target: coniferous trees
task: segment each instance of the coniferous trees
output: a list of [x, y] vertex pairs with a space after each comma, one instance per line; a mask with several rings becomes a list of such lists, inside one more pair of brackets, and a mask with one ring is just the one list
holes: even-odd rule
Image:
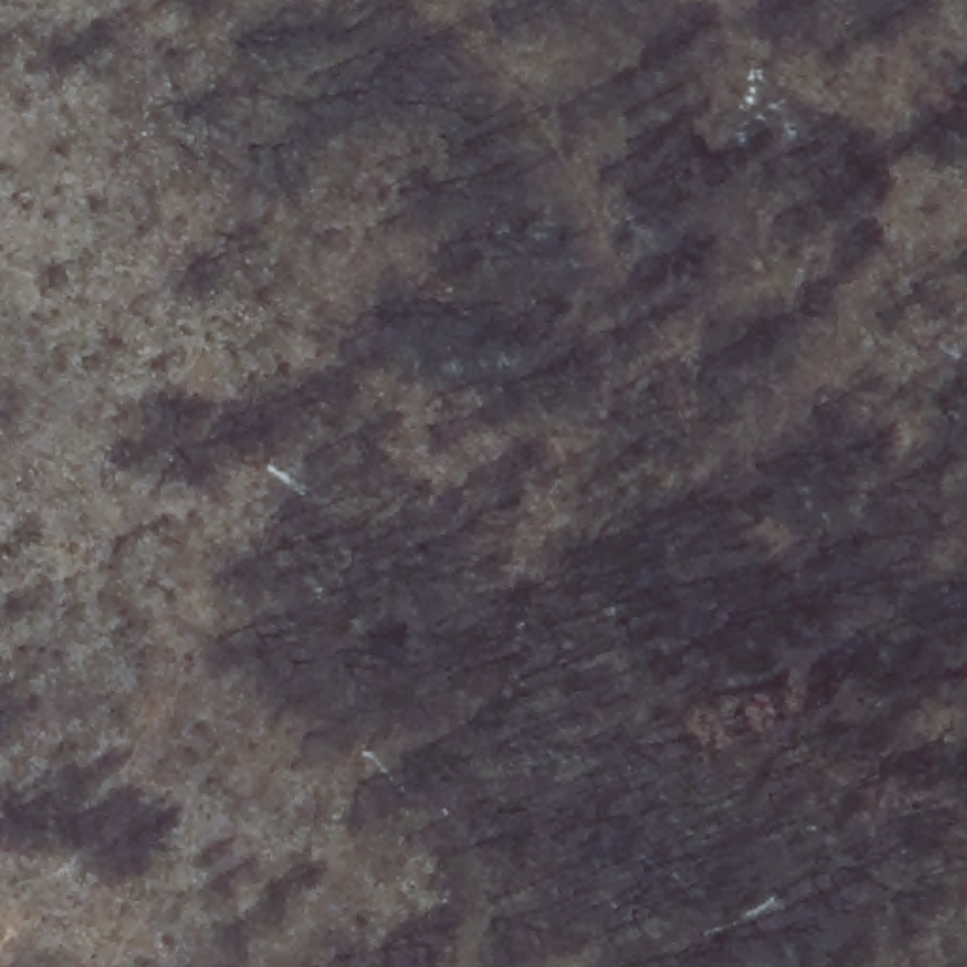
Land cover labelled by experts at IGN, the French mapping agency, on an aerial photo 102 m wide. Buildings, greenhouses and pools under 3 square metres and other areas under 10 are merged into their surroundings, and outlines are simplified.
[[[348, 835], [400, 835], [416, 854], [434, 857], [427, 891], [450, 891], [446, 907], [419, 910], [393, 925], [382, 948], [348, 944], [344, 952], [336, 952], [336, 967], [457, 967], [457, 929], [468, 918], [487, 925], [491, 948], [510, 963], [574, 956], [585, 944], [601, 944], [597, 967], [967, 967], [967, 0], [0, 0], [0, 30], [11, 23], [30, 23], [38, 34], [60, 34], [68, 42], [76, 30], [87, 30], [94, 19], [106, 19], [113, 34], [106, 49], [76, 64], [68, 76], [26, 72], [26, 60], [34, 57], [26, 42], [15, 42], [11, 60], [0, 68], [0, 514], [8, 510], [15, 521], [42, 521], [42, 540], [26, 544], [15, 555], [19, 574], [0, 578], [0, 597], [8, 601], [11, 593], [30, 589], [38, 578], [49, 578], [57, 601], [87, 604], [106, 585], [102, 563], [110, 559], [113, 536], [136, 521], [166, 517], [170, 499], [151, 495], [147, 476], [136, 476], [110, 461], [110, 450], [117, 442], [113, 416], [125, 400], [140, 400], [144, 427], [155, 431], [162, 446], [174, 453], [170, 468], [159, 476], [166, 484], [185, 480], [200, 487], [208, 476], [242, 465], [280, 465], [291, 476], [306, 480], [302, 495], [291, 491], [280, 514], [268, 521], [268, 529], [249, 536], [249, 555], [242, 555], [234, 567], [223, 567], [212, 578], [212, 589], [238, 585], [249, 608], [249, 623], [208, 635], [208, 669], [212, 676], [223, 676], [227, 669], [253, 676], [257, 699], [264, 699], [268, 710], [276, 706], [283, 714], [317, 718], [321, 725], [306, 729], [306, 740], [314, 744], [329, 744], [336, 752], [374, 748], [389, 771], [355, 782], [344, 820]], [[189, 302], [174, 295], [174, 283], [178, 276], [185, 276], [193, 253], [215, 253], [223, 268], [223, 280], [208, 291], [208, 302]]]

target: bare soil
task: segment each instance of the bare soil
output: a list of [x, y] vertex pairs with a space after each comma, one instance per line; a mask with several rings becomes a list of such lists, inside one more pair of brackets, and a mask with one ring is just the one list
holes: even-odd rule
[[193, 253], [185, 276], [178, 276], [174, 283], [174, 295], [189, 302], [208, 302], [208, 291], [223, 280], [223, 268], [215, 253]]
[[68, 76], [76, 64], [106, 49], [113, 34], [106, 19], [94, 19], [87, 30], [76, 30], [68, 42], [60, 34], [38, 34], [30, 23], [11, 23], [0, 30], [0, 68], [11, 60], [15, 42], [26, 42], [34, 57], [26, 60], [26, 72]]
[[585, 944], [574, 956], [510, 963], [491, 948], [487, 925], [468, 918], [457, 929], [457, 967], [597, 967], [601, 944]]
[[15, 555], [26, 544], [42, 540], [42, 521], [15, 521], [8, 510], [0, 514], [0, 578], [19, 574]]
[[212, 676], [208, 669], [208, 635], [249, 623], [249, 608], [238, 585], [212, 589], [212, 578], [223, 567], [234, 567], [242, 555], [249, 555], [249, 536], [268, 529], [268, 521], [280, 514], [291, 491], [302, 495], [306, 480], [291, 476], [280, 465], [242, 465], [208, 476], [200, 487], [185, 480], [166, 484], [159, 476], [170, 468], [174, 453], [162, 446], [155, 431], [144, 427], [140, 400], [125, 400], [113, 416], [117, 442], [110, 450], [110, 461], [136, 476], [147, 476], [151, 495], [170, 499], [166, 517], [136, 521], [113, 536], [110, 559], [102, 563], [106, 585], [87, 604], [57, 601], [49, 578], [38, 578], [30, 589], [11, 593], [8, 601], [0, 597], [0, 967], [336, 967], [336, 952], [344, 952], [348, 944], [382, 948], [393, 925], [419, 910], [446, 907], [450, 891], [427, 891], [434, 857], [416, 854], [400, 835], [348, 835], [344, 820], [355, 782], [389, 771], [374, 748], [336, 752], [329, 744], [314, 744], [306, 740], [306, 729], [321, 725], [317, 718], [283, 714], [276, 706], [268, 710], [264, 699], [257, 699], [253, 676], [227, 669], [223, 676]]

